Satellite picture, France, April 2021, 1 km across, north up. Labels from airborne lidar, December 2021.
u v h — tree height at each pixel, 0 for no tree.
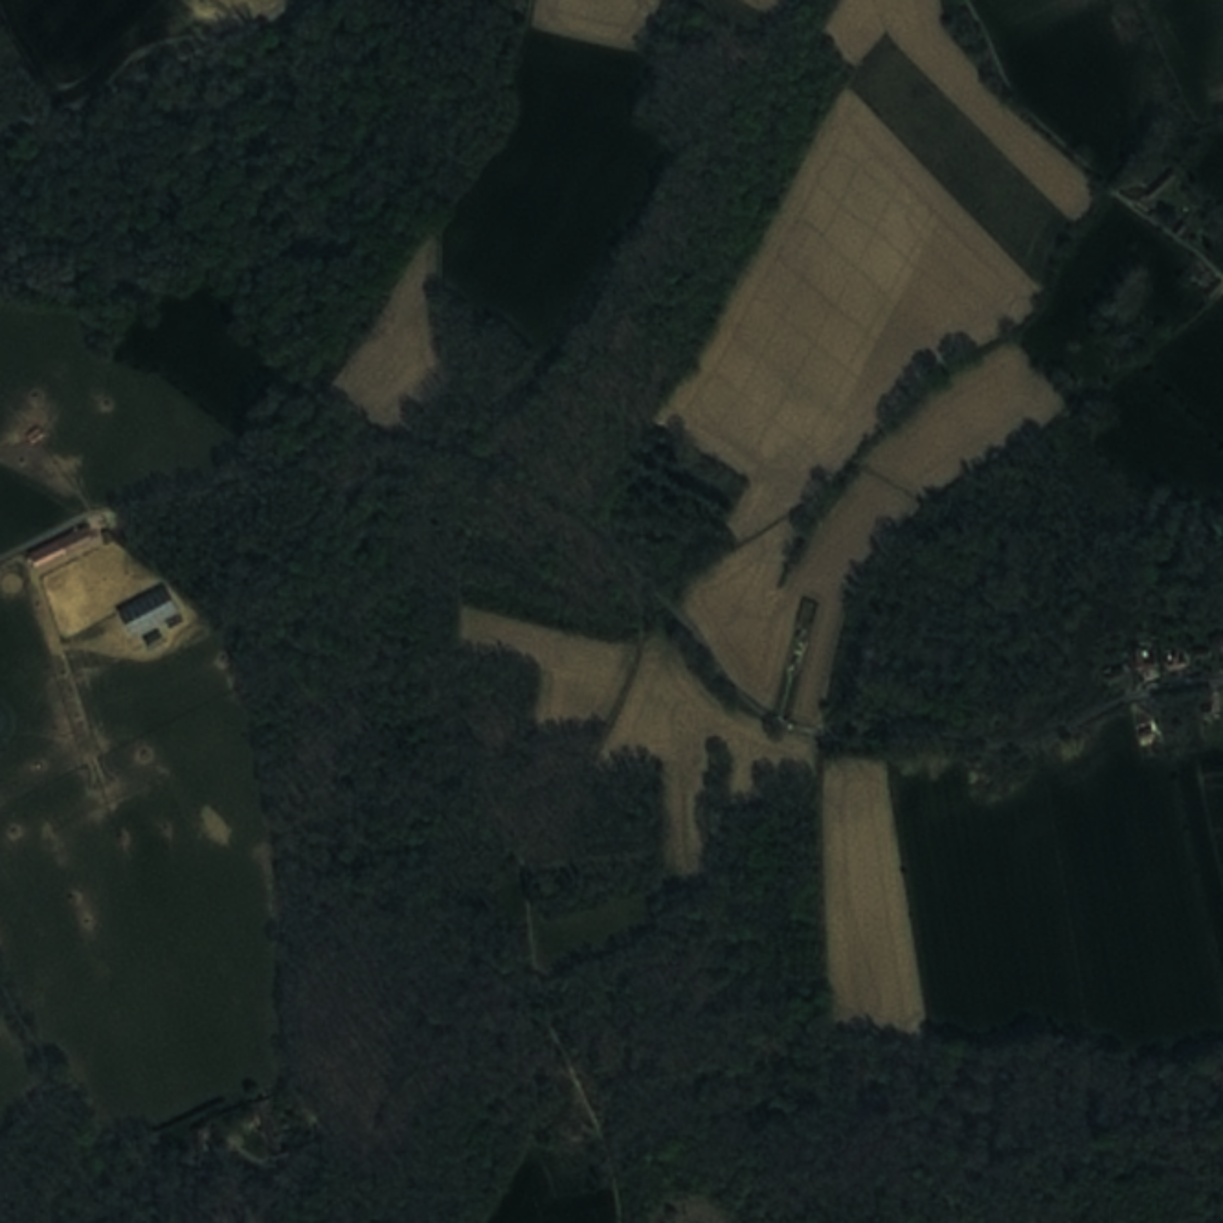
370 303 21
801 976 20
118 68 0
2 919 0
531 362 15
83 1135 23
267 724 10
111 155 27
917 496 0
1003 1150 7
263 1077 0
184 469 0
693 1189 13
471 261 0
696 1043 24
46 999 0
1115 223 0
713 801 17
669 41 22
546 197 0
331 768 24
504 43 13
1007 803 0
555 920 11
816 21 19
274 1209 24
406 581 22
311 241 6
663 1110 22
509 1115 18
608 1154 12
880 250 0
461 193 18
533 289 0
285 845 14
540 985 12
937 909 0
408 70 24
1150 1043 0
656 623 17
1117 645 10
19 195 22
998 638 28
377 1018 23
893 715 16
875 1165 22
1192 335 0
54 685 0
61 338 0
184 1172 25
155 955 0
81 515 0
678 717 0
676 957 23
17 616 0
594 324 18
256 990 0
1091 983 0
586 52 0
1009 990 0
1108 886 0
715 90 22
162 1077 0
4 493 0
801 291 0
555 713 0
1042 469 25
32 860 0
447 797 24
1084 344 0
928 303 0
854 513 0
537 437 19
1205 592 20
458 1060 24
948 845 0
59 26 0
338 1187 25
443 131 23
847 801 0
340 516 22
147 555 13
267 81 13
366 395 0
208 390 0
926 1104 29
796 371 0
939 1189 7
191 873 0
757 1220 13
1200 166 0
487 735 21
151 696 0
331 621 22
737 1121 25
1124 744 0
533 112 0
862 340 0
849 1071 23
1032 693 29
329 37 33
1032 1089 27
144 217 24
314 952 25
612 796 23
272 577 29
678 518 10
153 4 0
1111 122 0
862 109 0
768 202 18
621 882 14
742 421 0
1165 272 0
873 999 0
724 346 0
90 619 0
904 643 12
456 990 24
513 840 24
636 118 12
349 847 23
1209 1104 24
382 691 20
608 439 21
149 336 0
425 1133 24
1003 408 0
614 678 0
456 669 23
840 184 0
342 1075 22
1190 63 0
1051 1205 19
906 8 0
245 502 21
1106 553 26
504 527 25
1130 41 0
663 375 18
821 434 0
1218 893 0
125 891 0
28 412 0
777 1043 24
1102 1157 12
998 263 0
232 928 0
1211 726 0
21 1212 24
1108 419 25
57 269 24
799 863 28
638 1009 21
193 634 0
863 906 0
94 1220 7
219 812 0
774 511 0
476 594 6
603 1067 18
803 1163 25
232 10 0
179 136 26
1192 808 0
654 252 22
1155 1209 18
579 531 25
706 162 18
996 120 0
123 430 0
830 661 0
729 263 21
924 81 0
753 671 0
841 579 0
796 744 0
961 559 23
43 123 21
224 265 26
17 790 0
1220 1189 14
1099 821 0
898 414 21
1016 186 0
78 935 0
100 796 0
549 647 0
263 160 29
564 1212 0
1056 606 14
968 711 17
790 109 19
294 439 19
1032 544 31
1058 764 0
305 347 26
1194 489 0
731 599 0
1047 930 0
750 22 0
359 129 31
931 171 0
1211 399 0
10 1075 0
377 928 23
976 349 18
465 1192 21
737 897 26
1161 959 0
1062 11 0
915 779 0
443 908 22
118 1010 0
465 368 20
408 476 23
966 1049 21
